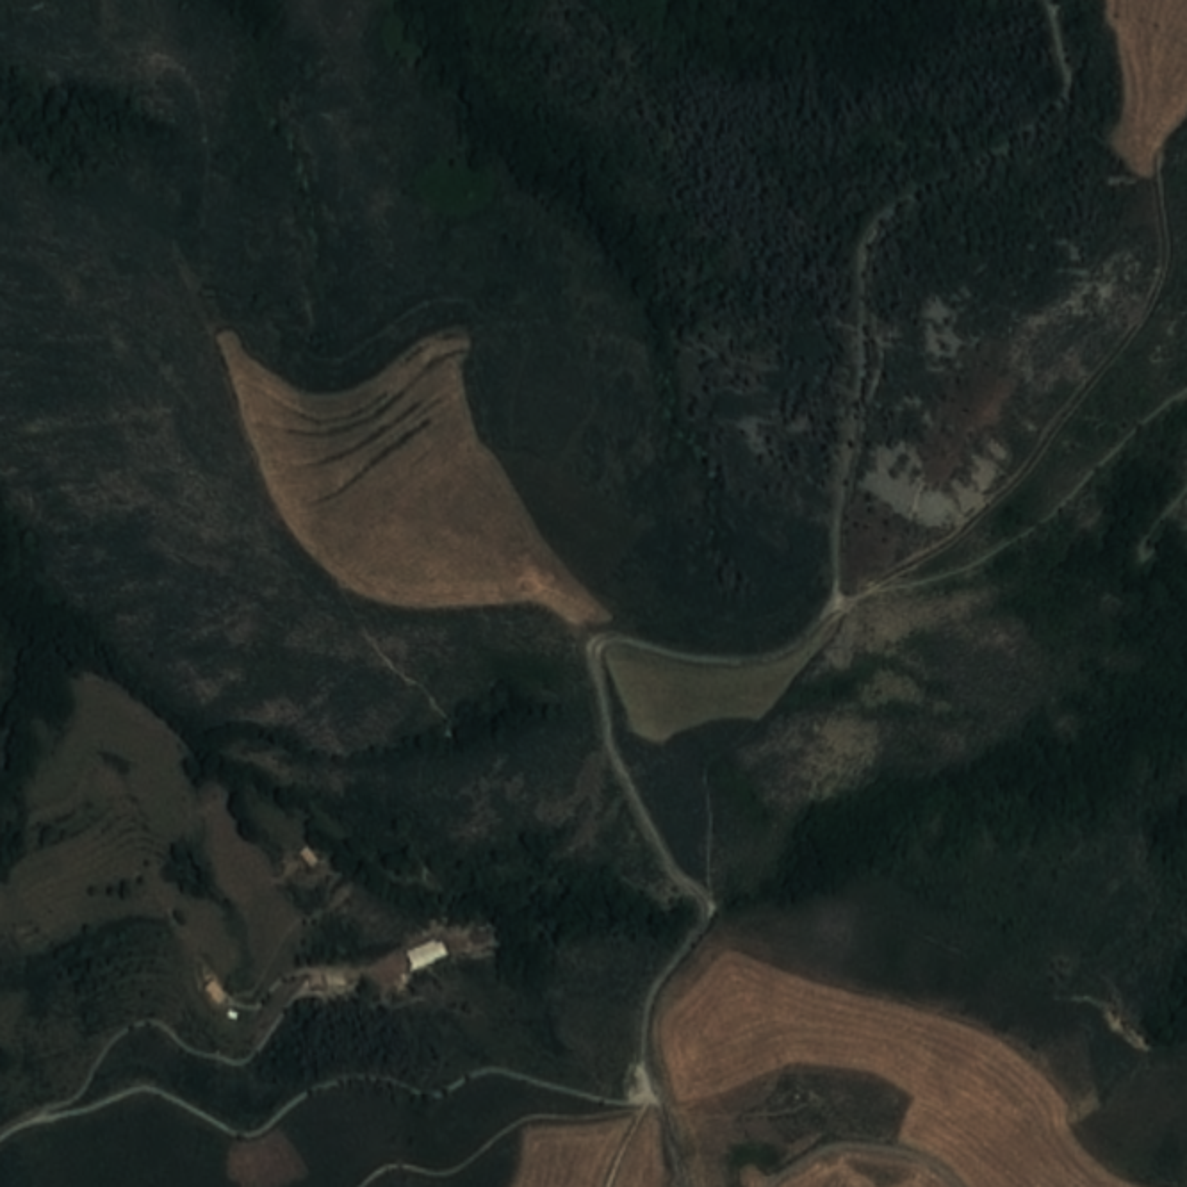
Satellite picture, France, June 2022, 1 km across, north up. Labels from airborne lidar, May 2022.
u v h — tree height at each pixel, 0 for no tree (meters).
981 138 8
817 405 8
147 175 0
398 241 0
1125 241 0
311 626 0
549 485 0
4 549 15
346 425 0
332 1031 11
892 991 0
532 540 0
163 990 0
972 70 16
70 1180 0
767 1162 0
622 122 7
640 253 8
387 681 0
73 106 19
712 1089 0
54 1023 0
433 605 0
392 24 0
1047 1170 0
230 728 14
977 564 0
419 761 0
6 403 0
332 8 0
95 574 0
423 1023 0
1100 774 14
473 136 8
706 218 14
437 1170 0
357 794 0
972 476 0
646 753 0
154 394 0
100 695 0
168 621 0
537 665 0
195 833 0
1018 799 7
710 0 8
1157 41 0
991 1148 0
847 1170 0
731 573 12
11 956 0
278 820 0
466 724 11
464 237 0
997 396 0
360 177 0
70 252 0
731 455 0
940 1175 0
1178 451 12
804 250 13
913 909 0
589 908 22
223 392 0
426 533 0
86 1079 0
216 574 0
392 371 0
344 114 0
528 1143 0
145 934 0
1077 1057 0
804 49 11
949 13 16
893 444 7
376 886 11
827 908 0
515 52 9
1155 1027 10
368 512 0
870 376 6
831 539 0
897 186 9
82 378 0
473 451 0
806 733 0
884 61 11
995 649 0
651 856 0
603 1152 0
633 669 0
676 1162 0
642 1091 0
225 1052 0
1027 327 0
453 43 18
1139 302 0
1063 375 0
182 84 0
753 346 6
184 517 0
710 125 14
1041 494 0
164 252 0
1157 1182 0
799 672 0
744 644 0
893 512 0
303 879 0
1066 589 9
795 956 0
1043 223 6
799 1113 0
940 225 7
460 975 0
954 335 0
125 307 0
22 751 21
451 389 0
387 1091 10
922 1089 0
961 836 10
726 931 0
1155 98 0
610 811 0
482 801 0
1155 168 0
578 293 0
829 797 7
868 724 0
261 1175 0
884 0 25
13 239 0
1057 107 14
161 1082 0
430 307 0
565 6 7
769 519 0
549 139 13
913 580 0
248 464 0
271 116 6
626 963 0
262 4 15
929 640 0
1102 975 0
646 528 0
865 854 12
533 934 7
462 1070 0
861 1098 0
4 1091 0
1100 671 12
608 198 16
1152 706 13
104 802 0
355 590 0
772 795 0
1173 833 17
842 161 18
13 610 14
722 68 11
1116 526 15
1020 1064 0
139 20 0
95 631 14
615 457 0
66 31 0
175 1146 0
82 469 0
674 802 0
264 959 0
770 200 18
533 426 0
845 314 12
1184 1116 0
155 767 0
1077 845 0
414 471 0
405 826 10
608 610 0
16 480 0
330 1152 0
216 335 0
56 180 8
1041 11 9
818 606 0
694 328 9
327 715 0
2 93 8
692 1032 0
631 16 7
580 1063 0
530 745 0
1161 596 19
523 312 0
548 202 7
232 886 0
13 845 12
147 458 0
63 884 0
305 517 0
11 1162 0
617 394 0
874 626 0
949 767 9
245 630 0
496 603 0
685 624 0
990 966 0
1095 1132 0
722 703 0
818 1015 0
